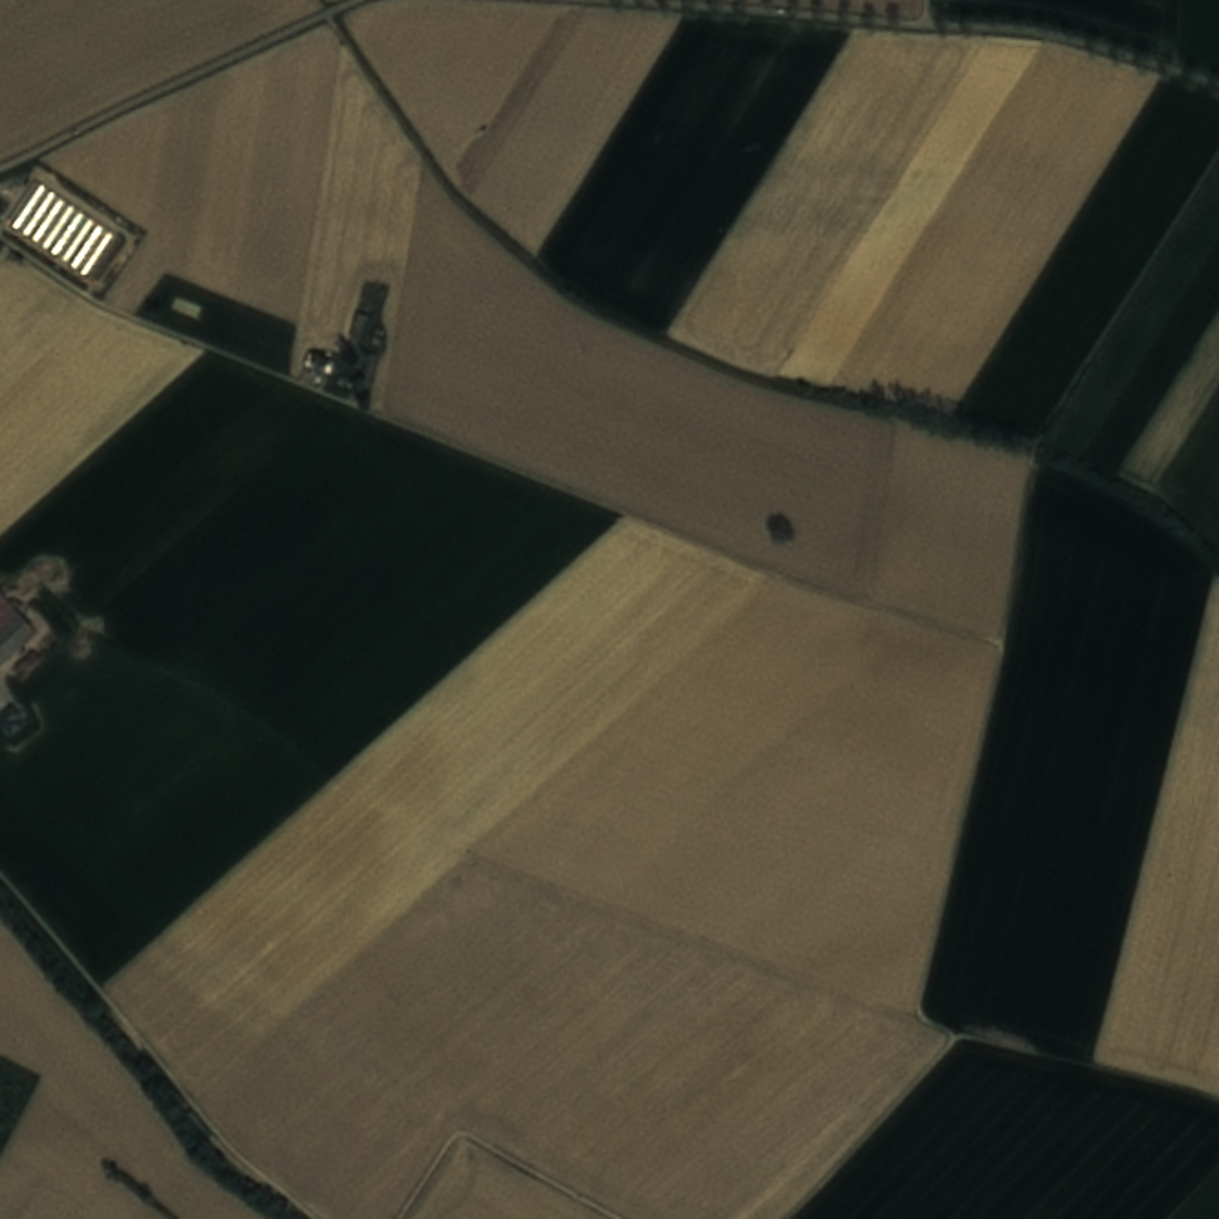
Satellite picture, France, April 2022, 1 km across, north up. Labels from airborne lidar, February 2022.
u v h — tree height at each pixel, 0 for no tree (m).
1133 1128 0
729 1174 0
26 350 0
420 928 0
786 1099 0
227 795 0
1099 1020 0
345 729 0
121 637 0
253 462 0
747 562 0
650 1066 0
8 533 0
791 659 0
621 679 0
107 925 0
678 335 0
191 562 0
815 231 0
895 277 0
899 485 0
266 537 0
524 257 0
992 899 0
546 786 0
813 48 0
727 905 0
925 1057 0
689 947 0
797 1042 0
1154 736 0
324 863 0
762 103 0
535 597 0
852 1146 0
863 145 0
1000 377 0
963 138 0
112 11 0
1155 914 0
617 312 0
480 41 0
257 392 0
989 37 0
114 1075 0
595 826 0
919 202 0
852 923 0
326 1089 0
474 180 0
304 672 0
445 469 0
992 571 0
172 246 0
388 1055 0
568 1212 0
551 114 0
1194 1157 0
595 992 0
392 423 0
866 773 0
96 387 0
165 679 0
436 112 0
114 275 0
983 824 0
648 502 0
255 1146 0
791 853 0
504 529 0
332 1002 0
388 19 0
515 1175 0
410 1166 0
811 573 0
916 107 0
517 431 0
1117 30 0
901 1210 0
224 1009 0
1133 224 0
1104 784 0
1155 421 0
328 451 0
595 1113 0
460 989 0
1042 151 0
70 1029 0
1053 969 0
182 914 0
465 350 0
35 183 0
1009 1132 0
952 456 0
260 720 0
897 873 0
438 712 0
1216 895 0
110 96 0
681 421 0
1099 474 6
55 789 0
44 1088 0
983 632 0
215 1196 0
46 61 0
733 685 0
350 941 0
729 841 0
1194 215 0
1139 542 0
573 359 0
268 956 0
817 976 0
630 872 0
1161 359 0
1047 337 0
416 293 0
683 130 0
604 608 0
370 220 0
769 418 0
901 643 0
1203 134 0
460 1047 0
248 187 0
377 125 0
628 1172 0
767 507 0
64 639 0
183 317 0
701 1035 0
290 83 0
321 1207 0
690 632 0
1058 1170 0
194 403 0
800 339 0
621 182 0
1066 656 0
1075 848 0
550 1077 0
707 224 0
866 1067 0
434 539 0
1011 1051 0
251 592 0
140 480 0
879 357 0
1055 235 0
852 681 0
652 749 0
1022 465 0
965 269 0
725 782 0
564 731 0
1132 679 0
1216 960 0
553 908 0
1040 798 0
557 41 0
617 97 0
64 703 0
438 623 0
